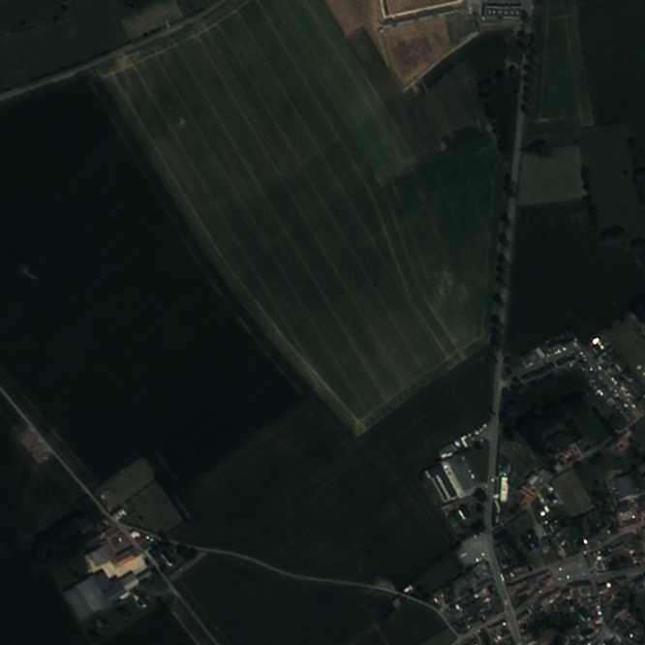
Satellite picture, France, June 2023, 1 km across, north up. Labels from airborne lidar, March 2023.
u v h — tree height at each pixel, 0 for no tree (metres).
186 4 0
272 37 0
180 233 0
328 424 0
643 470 0
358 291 0
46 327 0
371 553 0
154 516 0
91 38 0
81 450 0
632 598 7
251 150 0
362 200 0
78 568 0
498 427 0
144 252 0
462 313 0
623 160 0
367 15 0
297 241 0
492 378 0
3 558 0
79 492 0
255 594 0
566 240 0
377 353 0
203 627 0
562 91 0
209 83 0
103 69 0
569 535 0
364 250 0
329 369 0
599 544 0
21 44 0
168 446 0
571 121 0
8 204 0
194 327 0
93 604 0
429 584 0
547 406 0
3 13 0
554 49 0
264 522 0
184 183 0
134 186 0
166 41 0
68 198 0
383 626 0
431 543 0
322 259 0
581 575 0
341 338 0
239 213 0
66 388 0
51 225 0
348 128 0
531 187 0
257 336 0
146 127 0
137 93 0
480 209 0
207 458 0
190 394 0
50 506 0
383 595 0
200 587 0
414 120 0
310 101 0
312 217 0
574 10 0
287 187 0
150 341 0
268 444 0
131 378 0
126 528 0
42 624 0
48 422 0
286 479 0
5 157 0
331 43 0
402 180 0
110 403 0
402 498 0
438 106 0
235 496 0
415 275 0
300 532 0
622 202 0
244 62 0
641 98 0
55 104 0
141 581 7
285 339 0
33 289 0
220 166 0
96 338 0
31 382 0
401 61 0
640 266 0
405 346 0
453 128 0
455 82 0
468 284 0
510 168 0
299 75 0
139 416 0
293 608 0
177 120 0
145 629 0
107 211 0
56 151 0
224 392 0
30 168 0
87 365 0
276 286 0
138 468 0
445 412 0
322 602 0
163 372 0
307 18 0
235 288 0
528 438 26
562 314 0
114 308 0
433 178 0
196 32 0
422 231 0
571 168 0
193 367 0
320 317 0
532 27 0
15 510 0
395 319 0
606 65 0
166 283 0
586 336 0
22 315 0
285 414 0
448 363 0
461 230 0
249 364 0
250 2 0
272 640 0
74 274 0
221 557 0
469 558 0
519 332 0
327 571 0
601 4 0
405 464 0
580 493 0
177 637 0
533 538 0
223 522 0
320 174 0
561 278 0
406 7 0
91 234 0
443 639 0
